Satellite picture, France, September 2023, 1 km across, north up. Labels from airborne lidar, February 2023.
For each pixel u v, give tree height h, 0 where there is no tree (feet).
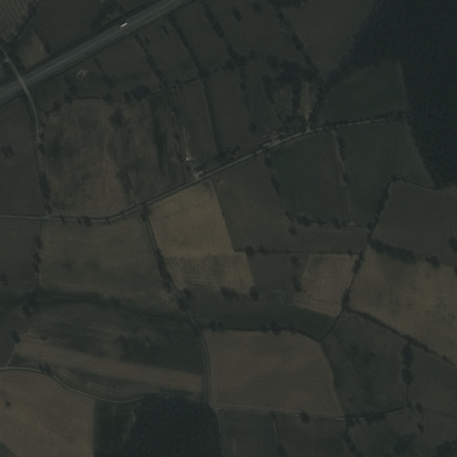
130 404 0
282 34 0
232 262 0
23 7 0
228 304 0
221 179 0
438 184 61
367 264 0
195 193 0
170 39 0
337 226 49
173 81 0
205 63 0
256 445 0
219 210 0
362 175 0
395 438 0
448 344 0
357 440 0
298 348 0
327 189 0
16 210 0
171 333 0
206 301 0
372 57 54
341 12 0
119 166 0
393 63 0
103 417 0
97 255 0
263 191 0
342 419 0
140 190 0
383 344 0
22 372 0
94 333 0
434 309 0
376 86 0
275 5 25
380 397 0
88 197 0
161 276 33
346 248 0
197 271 0
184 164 0
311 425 0
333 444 0
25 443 0
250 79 0
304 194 0
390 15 71
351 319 0
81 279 0
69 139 0
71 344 0
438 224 0
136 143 0
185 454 62
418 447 0
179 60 0
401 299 0
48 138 0
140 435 72
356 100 0
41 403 0
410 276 0
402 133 0
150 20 0
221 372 0
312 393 0
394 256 49
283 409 0
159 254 46
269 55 0
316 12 0
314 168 0
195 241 0
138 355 0
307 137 0
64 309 0
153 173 0
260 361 0
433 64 82
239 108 0
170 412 80
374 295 0
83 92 0
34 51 0
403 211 0
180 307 55
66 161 0
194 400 0
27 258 0
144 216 32
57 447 0
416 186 0
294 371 0
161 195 0
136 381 0
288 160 0
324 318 0
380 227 0
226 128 0
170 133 0
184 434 82
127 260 0
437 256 0
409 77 78
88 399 0
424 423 0
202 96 0
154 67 48
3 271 0
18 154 0
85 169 0
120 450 0
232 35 0
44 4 0
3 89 0
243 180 0
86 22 0
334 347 0
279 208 0
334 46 0
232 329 0
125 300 0
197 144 0
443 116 70
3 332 0
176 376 0
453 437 0
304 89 0
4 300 0
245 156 0
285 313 0
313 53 0
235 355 0
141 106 0
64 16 0
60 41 0
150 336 0
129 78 0
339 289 0
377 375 0
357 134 0
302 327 0
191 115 0
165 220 0
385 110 0
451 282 0
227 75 0
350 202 0
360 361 0
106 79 53
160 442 80
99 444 0
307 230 0
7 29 0
